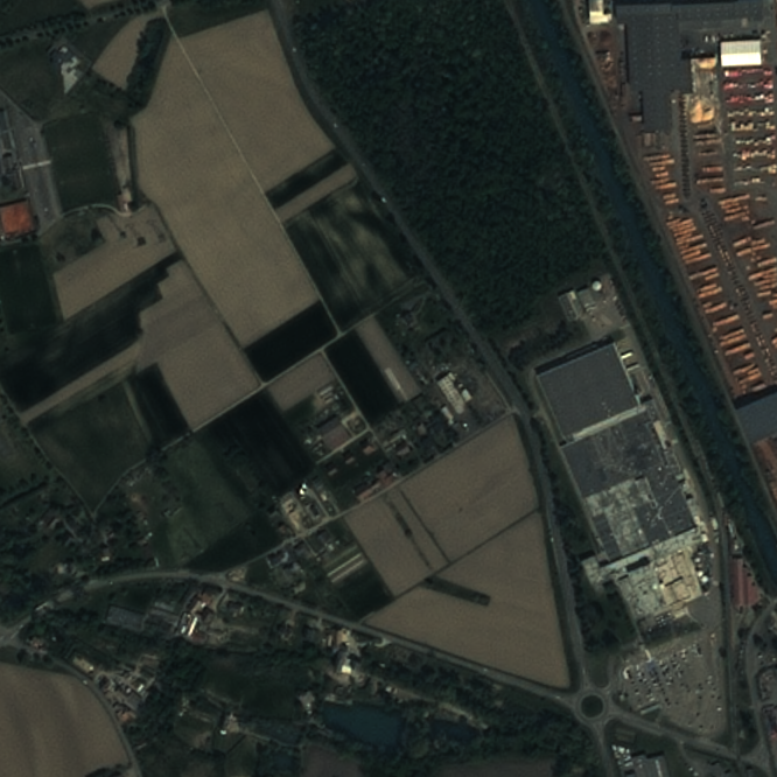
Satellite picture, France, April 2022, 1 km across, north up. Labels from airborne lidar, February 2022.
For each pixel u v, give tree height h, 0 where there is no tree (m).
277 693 0
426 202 27
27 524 9
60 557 0
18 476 0
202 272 0
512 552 0
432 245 12
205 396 0
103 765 0
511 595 0
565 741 9
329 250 0
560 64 0
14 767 0
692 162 0
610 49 0
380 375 0
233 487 0
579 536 17
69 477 0
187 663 9
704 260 0
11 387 0
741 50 0
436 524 0
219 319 0
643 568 0
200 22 0
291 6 0
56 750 0
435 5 18
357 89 19
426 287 0
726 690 0
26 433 7
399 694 0
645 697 0
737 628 0
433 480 0
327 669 0
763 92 0
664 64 0
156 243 0
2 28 0
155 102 0
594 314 0
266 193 0
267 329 0
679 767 0
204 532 0
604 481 0
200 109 0
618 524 0
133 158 8
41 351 0
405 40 11
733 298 0
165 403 0
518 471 0
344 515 0
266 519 0
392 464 13
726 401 11
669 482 0
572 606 0
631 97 0
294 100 0
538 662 0
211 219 0
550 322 0
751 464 18
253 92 0
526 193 17
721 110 0
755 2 0
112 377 0
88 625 9
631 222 0
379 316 0
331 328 0
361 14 19
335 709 0
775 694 0
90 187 0
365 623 0
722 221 0
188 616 0
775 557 0
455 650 0
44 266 0
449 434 7
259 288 0
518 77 19
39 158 0
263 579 0
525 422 0
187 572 0
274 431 0
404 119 22
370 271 0
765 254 0
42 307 0
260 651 8
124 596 0
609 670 0
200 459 0
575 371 0
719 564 0
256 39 0
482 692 16
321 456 0
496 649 0
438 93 13
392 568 0
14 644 0
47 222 0
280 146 0
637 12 0
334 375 0
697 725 0
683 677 0
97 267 0
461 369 0
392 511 0
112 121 0
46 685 0
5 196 0
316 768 0
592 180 20
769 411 0
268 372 0
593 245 18
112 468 0
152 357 0
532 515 0
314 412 0
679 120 0
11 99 0
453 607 0
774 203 0
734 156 0
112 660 0
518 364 7
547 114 22
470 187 25
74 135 0
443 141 30
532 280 15
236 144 0
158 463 19
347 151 0
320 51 23
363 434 0
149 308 0
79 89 0
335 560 0
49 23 6
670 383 0
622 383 0
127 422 0
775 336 0
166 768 0
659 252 20
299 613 0
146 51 18
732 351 0
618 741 0
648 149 0
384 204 22
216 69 0
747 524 0
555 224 18
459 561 0
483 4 15
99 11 0
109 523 14
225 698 0
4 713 0
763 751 0
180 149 0
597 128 0
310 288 0
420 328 0
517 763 0
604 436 0
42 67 0
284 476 0
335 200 0
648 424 0
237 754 0
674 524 0
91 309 0
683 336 0
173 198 0
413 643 0
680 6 0
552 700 0
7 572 13
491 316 11
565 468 0
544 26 0
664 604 0
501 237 20
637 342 0
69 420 0
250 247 0
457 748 15
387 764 18
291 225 0
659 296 0
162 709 10
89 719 0
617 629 13
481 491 0
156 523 0
